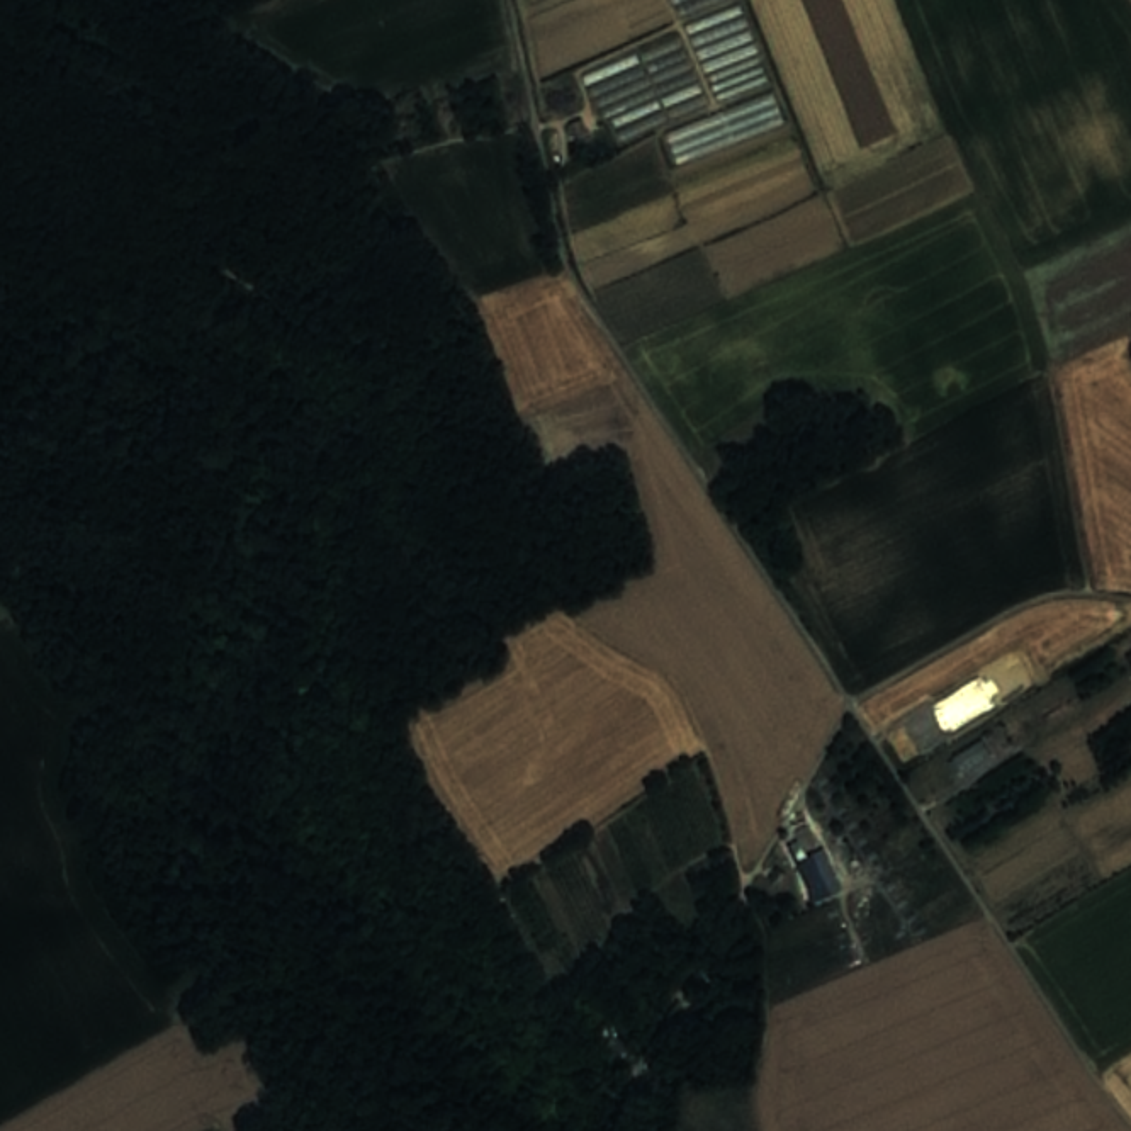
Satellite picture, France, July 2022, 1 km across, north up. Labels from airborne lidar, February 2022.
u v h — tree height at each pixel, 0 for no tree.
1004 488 0
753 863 0
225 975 21
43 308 18
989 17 0
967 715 0
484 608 26
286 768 26
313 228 17
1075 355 0
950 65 0
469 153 0
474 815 0
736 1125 0
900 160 0
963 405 0
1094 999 0
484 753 0
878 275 0
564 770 0
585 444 0
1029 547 0
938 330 0
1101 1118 0
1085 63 0
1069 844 0
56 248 22
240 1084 0
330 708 22
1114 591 0
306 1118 15
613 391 0
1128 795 0
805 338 0
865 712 0
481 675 16
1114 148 0
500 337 0
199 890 29
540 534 24
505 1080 20
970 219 0
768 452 20
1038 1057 0
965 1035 0
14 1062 0
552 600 16
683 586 0
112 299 25
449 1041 14
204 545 32
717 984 24
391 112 21
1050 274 0
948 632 0
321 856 18
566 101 0
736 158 0
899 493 0
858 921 0
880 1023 0
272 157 27
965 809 6
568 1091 13
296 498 29
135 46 23
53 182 23
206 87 27
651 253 0
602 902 0
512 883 9
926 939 0
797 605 0
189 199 27
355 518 23
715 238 0
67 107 24
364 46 0
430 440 21
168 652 22
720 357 0
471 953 13
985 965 0
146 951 7
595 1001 19
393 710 23
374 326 19
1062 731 0
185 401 29
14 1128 0
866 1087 0
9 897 0
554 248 14
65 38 21
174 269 28
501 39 0
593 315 0
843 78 0
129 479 13
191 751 30
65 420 12
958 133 0
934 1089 0
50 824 0
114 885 23
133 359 34
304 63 0
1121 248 0
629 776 0
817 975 0
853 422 21
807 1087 0
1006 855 0
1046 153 0
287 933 30
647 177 0
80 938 0
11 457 24
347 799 20
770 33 0
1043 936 0
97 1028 0
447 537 18
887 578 0
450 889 19
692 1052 18
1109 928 0
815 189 0
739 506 19
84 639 24
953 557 0
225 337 28
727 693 0
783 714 0
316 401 26
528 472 15
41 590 23
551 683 0
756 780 0
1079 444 0
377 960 24
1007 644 0
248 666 26
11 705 0
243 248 25
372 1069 26
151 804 21
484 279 0
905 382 0
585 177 0
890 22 0
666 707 0
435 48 0
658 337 0
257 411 34
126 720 19
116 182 24
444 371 17
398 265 17
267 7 0
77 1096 0
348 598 23
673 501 0
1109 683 8
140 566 10
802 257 0
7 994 0
